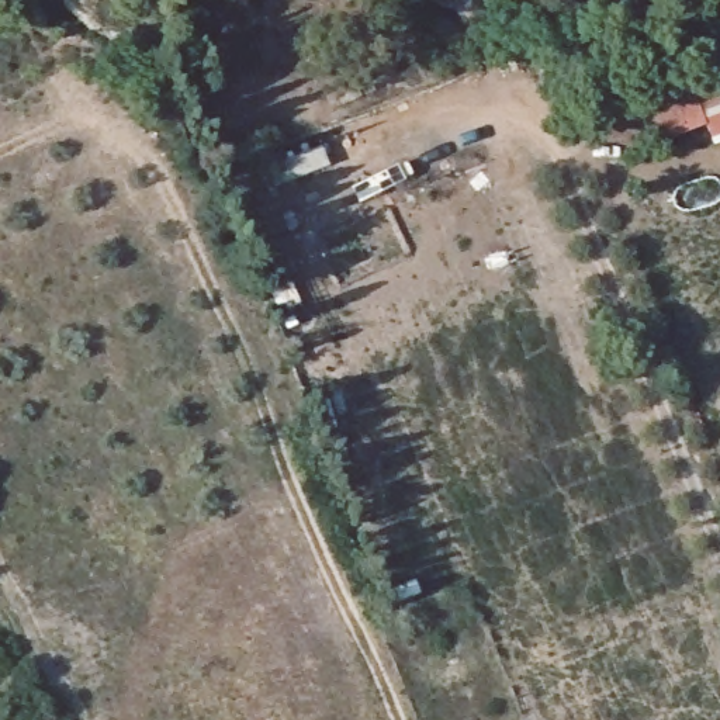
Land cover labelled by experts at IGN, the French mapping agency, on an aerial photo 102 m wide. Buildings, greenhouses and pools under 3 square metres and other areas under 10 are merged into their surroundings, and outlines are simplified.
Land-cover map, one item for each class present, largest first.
<instances>
[{"label":"herbaceous vegetation","instance_id":"1","mask_svg":"<svg viewBox=\"0 0 720 720\"><path fill-rule=\"evenodd\" d=\"M293 0H191V6L186 8L191 31L177 45L180 68L188 84L197 90L203 115L219 118L217 138L233 146L250 138V132L259 127H278V132L284 135V129H290L298 121L301 110L295 107V101H278L281 93L276 87V79L293 73L298 62L293 39L298 28L287 20V6ZM20 115H25L28 121H42L51 115V107L45 101V82L31 84L20 98L0 101V135ZM599 146H619L622 152L616 163H608L602 169L608 194L605 205L613 208L619 228H630L636 233L627 239V248L636 253L638 270L644 273L653 295V307L644 309L647 321L641 329V340L655 346V354H661L667 366H675L678 374L689 383L692 413L709 405V422L700 425V450L689 447L686 439H675L667 444H650L644 453H638V447L630 442V433L636 436L650 422L667 419L672 413V402H658L647 411H627L624 394H613L610 399H599L596 394H591L577 383L568 357L560 349L557 321L537 315L532 290L537 284V276L526 248H515V253L506 259V267L512 270V287L506 293L492 295L489 301H481L464 326H447L416 340H399L394 346L391 363L383 352H377L371 363L363 368V374L340 380L309 377V360L301 354V340L309 332L295 329L298 318L284 321L276 309H267L276 304V295L259 301L233 293L228 278L217 273L214 256L203 242L197 219L191 214L183 222L169 219L152 186H135L132 172L138 169L127 155L104 152L98 141L82 149L73 160H53L51 143H37L8 158L0 152V627L23 633L31 641V650L39 655L34 669L39 689L53 703L56 714L51 720H388L366 655L357 653V644L349 638L343 616L329 599L326 585H318L315 560L307 548L298 518L293 512L290 498L284 495V484L273 464V447L278 442H287L293 447L298 473L304 478V492L318 515L326 543L338 565L343 568L366 622L374 627V633L385 636V647L397 661L402 695L408 698L416 720H720V143L712 141L709 129H683L675 124L655 121H650L644 129L605 132ZM93 180H110L115 186V194L107 205L96 211H82L76 203V191ZM23 200H37L39 211L45 214V225L31 231L25 228V217L17 205ZM118 236L129 239L138 256L127 267H104L98 259L101 245ZM138 304H160V307H163V309H160V321H158V326H155L152 332H138V329H141V323H143V315H141ZM87 323H98V326H104V352H101V354H90V352H87V343H84V326H87ZM245 371L267 374L264 391L250 402L239 399L233 391L245 383ZM183 399L205 402L208 416L203 425L172 422V408H177ZM186 447L203 450V461L197 464L200 475L194 481L177 478V458ZM653 461H672L678 478L669 487L658 489ZM146 470L160 473V489L152 495H132L127 489V481L135 475L143 478ZM211 489H231L236 515H205L203 501ZM678 495H689V509L695 515L686 518V526L675 529L672 518L667 515V498ZM686 537H706V548L712 554L692 565L683 551ZM563 194L579 188L582 169L577 163L560 160ZM571 208L577 214L579 228L560 231L563 242L568 245V253L577 262L602 259L608 236L599 233V222H593L599 203L582 197L574 200Z\"/></svg>","mask_w":720,"mask_h":720},{"label":"deciduous trees","instance_id":"2","mask_svg":"<svg viewBox=\"0 0 720 720\"><path fill-rule=\"evenodd\" d=\"M191 6V0H0V101L20 98L31 84L45 82L56 70H73L87 84H98V98L104 104H118L127 113V118L135 121L141 129L158 132V149L169 158L172 169L177 172V191L191 214L197 219L203 242L214 256L217 273L228 278L233 293L259 301L276 295L278 290H284L278 284L281 267L270 259L264 239L253 231V219H248L242 211V188L228 180L233 146L217 138L219 118L203 115L197 90L188 84L180 68L177 45L191 31L186 8ZM287 20L298 28L293 39L298 62L293 73L276 79V87L281 93L278 101H295V107L301 110L312 101H323L326 96L346 90L366 96L371 90L385 93V87L394 82L416 84L422 70H430L439 79H456L464 73H487L492 68H506L518 62L526 70V76L537 84L543 101L548 104V118L543 121V129L554 135L560 143H588L593 149L599 146L605 132L644 129L650 121H655L658 113L669 107L720 101V0H293L287 6ZM82 149V141L73 138L51 143L53 160H73ZM582 169L579 188L563 194L560 160L534 169V194L540 200L554 203L551 219L560 231L579 228L577 214L571 208L574 200L582 197L599 203L593 222H599V233L608 236L602 259L616 262L613 273L591 276L585 281V293L593 295L585 329L588 357L599 371V385L591 394H596L599 399H610L613 394H624L627 411H647L658 402H672V413L667 419L650 422L636 436L630 433V442L638 447V453H644L650 444H667L675 439H686L689 447L700 450V425L709 422V405L692 413L689 383L678 374L675 366H667L661 354H655V346L641 340V329L647 321L644 309L653 307V295L644 273L638 270L636 253L627 248V239L636 233L630 228H619L613 208L605 205L608 194L602 169H593L591 163H577ZM135 186H152L163 183V174L149 163L138 169L132 172ZM115 194V186L110 180H93L76 191V203L82 211H96L107 205ZM17 205L25 217V228L31 231L45 225V214L39 211L37 200H23ZM138 256L129 239L118 236L101 245L98 259L104 267H127ZM141 315H143V323H141V329H138V332H152L155 326H158V321H160V309H163V307H160V304H138ZM84 343H87V352H90V354H101V352H104V326H98V323H87V326H84ZM267 374L245 371V383L233 391L239 399L250 402L264 391ZM208 416L205 402L183 399L177 408H172V422L203 425ZM203 461V450L186 447L177 458V478L194 481L200 475L197 464ZM658 489L669 487L678 478L672 461H653ZM127 489L132 495H152L160 489V473L146 470L143 478L135 475L127 481ZM205 515H236L231 489H211L203 501ZM667 515L672 518L675 529L686 526V518L695 515L689 509V495H678L667 498ZM683 551L692 565L712 554L706 548V537H686ZM39 655L31 650V641L23 633L0 627V720H51L56 714L53 703L39 689L34 669Z\"/></svg>","mask_w":720,"mask_h":720},{"label":"pervious surface","instance_id":"3","mask_svg":"<svg viewBox=\"0 0 720 720\"><path fill-rule=\"evenodd\" d=\"M548 118V104L543 101L537 84L526 76V70L518 62L506 68H492L487 73H464L456 79H439L430 70H422L416 84L394 82L385 87V93L371 90L366 96L346 90L326 96L323 101H312L301 110L298 121L290 129H284V135L278 132V127H259L250 132V138L233 146L228 180L242 188V211L248 219H253V231L264 239L270 259L281 267L278 284L284 290H278L276 295V304L267 309H276L284 321L298 318L295 329L309 332L301 340V354L309 360V377L340 380L363 374V368L371 363L377 352H383L391 363L394 346L399 340H416L447 326H464L481 301H489L492 295L506 293L512 287V270L506 267V259L515 253V248H526L537 276V284L532 290L537 315L557 321L560 349L568 357L577 383L591 394L599 385V371L588 357L585 329L593 295L585 293V281L591 276L613 273L616 262L602 259L577 262L568 253V245L563 242L560 231L551 219L554 203L540 200L534 194V169L560 160L577 163H591L593 169H602L608 163H616L622 152L619 146H599L593 149L588 143H560L554 135L543 129V121ZM45 101L51 107V115L42 121H28L25 115H20L0 135V152L8 158L37 143H51L73 138L82 141V149L98 141L104 152L127 155L138 169L149 163L163 174V183L152 186L169 219L183 222L191 214L177 191V172L172 169L169 158L158 149V132L141 129L135 121L127 118V113L118 104H104L98 98V84H87L73 70H56L45 82ZM273 464L284 484V495L290 498L293 512L298 518L307 548L315 560L318 585H326L329 599L343 616L349 638L357 644V653L366 655L388 720H416L408 698L402 695L397 661L385 647V636L374 633V627L366 622L343 568L338 565L326 543L318 515L304 492V478L298 473L293 447L287 442H278L273 447Z\"/></svg>","mask_w":720,"mask_h":720},{"label":"building","instance_id":"4","mask_svg":"<svg viewBox=\"0 0 720 720\"><path fill-rule=\"evenodd\" d=\"M675 124L683 129H709L712 141L720 143V101L669 107L658 113L655 121Z\"/></svg>","mask_w":720,"mask_h":720}]
</instances>
